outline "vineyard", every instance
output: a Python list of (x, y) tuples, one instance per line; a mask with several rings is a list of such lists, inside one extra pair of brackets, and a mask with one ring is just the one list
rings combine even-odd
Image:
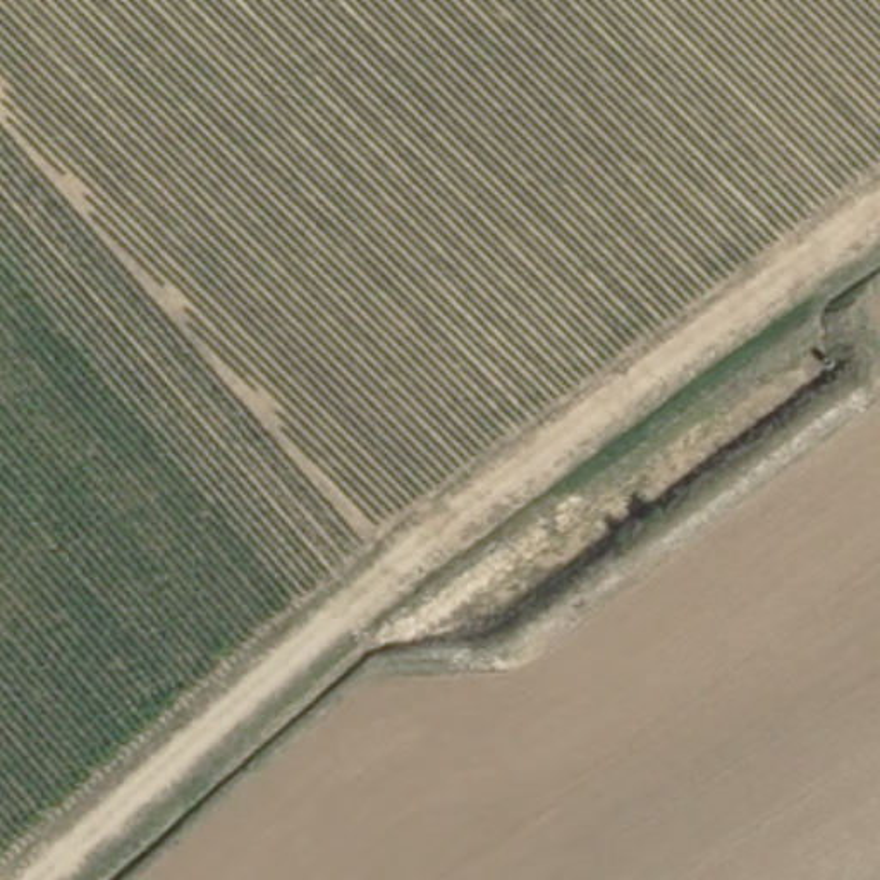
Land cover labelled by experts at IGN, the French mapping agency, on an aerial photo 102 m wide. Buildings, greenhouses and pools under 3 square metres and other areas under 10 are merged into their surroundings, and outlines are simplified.
[(639, 358), (660, 347), (667, 337), (674, 337), (684, 323), (722, 303), (746, 278), (753, 278), (767, 265), (763, 251), (773, 241), (780, 248), (794, 248), (839, 210), (846, 210), (856, 196), (873, 193), (880, 199), (880, 0), (0, 0), (0, 880), (17, 880), (17, 873), (31, 866), (31, 859), (45, 846), (62, 839), (76, 822), (83, 822), (110, 791), (117, 791), (134, 770), (141, 770), (165, 743), (172, 743), (175, 732), (196, 722), (251, 667), (258, 667), (261, 657), (268, 657), (299, 626), (306, 626), (330, 598), (351, 588), (413, 526), (440, 516), (450, 495), (464, 492), (495, 461), (533, 443), (533, 437), (547, 423), (560, 419), (584, 395), (602, 388), (605, 375), (626, 375)]

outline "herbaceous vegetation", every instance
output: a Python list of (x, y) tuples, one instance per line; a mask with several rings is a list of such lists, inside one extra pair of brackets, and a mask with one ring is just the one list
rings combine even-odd
[(595, 612), (612, 605), (612, 598), (622, 588), (636, 588), (643, 578), (660, 571), (670, 560), (670, 553), (684, 550), (718, 519), (746, 505), (763, 485), (791, 471), (804, 454), (825, 447), (853, 423), (866, 419), (873, 409), (880, 413), (880, 244), (866, 258), (839, 265), (835, 272), (818, 278), (818, 285), (791, 309), (784, 309), (753, 337), (705, 364), (694, 378), (677, 385), (667, 399), (636, 416), (626, 430), (608, 437), (591, 457), (578, 461), (543, 492), (529, 495), (519, 509), (495, 519), (485, 536), (430, 567), (423, 578), (413, 581), (409, 591), (378, 608), (364, 626), (333, 639), (282, 691), (261, 701), (213, 749), (206, 749), (179, 784), (172, 784), (158, 801), (144, 804), (117, 839), (93, 849), (79, 873), (72, 873), (69, 880), (131, 880), (162, 849), (168, 849), (217, 798), (223, 798), (251, 770), (258, 770), (282, 743), (289, 743), (354, 677), (364, 677), (368, 684), (385, 684), (392, 677), (450, 674), (454, 663), (468, 670), (519, 670), (533, 663), (564, 633), (584, 626)]

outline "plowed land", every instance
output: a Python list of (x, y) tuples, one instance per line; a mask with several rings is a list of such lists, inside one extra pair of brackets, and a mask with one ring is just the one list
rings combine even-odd
[(450, 674), (392, 677), (385, 684), (368, 684), (364, 677), (354, 677), (289, 743), (282, 743), (258, 770), (251, 770), (223, 798), (217, 798), (168, 849), (162, 849), (131, 880), (880, 880), (880, 413), (873, 409), (866, 419), (853, 423), (825, 447), (804, 454), (791, 471), (763, 485), (746, 505), (718, 519), (684, 550), (670, 553), (670, 560), (660, 571), (643, 578), (636, 588), (622, 588), (612, 598), (612, 605), (595, 612), (584, 626), (564, 633), (533, 663), (519, 670), (468, 670), (454, 663)]

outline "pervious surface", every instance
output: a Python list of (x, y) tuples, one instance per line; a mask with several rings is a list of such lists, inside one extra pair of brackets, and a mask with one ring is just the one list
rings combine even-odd
[(206, 749), (213, 749), (261, 701), (282, 691), (333, 639), (364, 626), (378, 608), (409, 591), (413, 581), (423, 578), (430, 567), (485, 536), (495, 519), (519, 509), (529, 495), (543, 492), (578, 461), (591, 457), (608, 437), (626, 430), (636, 416), (667, 399), (677, 385), (694, 378), (705, 364), (753, 337), (784, 309), (791, 309), (818, 285), (818, 278), (835, 272), (839, 265), (866, 258), (880, 244), (880, 199), (873, 193), (856, 196), (846, 210), (839, 210), (794, 248), (780, 248), (773, 241), (763, 251), (767, 265), (753, 278), (746, 278), (722, 303), (684, 323), (674, 337), (667, 337), (660, 347), (639, 358), (626, 375), (605, 375), (602, 388), (584, 395), (560, 419), (547, 423), (533, 437), (533, 443), (495, 461), (464, 492), (450, 495), (440, 516), (413, 526), (351, 588), (330, 598), (306, 626), (299, 626), (268, 657), (261, 657), (258, 667), (251, 667), (196, 722), (175, 732), (172, 743), (165, 743), (141, 770), (134, 770), (117, 791), (110, 791), (83, 822), (76, 822), (62, 839), (45, 846), (31, 859), (31, 866), (17, 873), (17, 880), (69, 880), (72, 873), (79, 873), (93, 849), (117, 839), (144, 804), (158, 801), (172, 784), (179, 784)]

